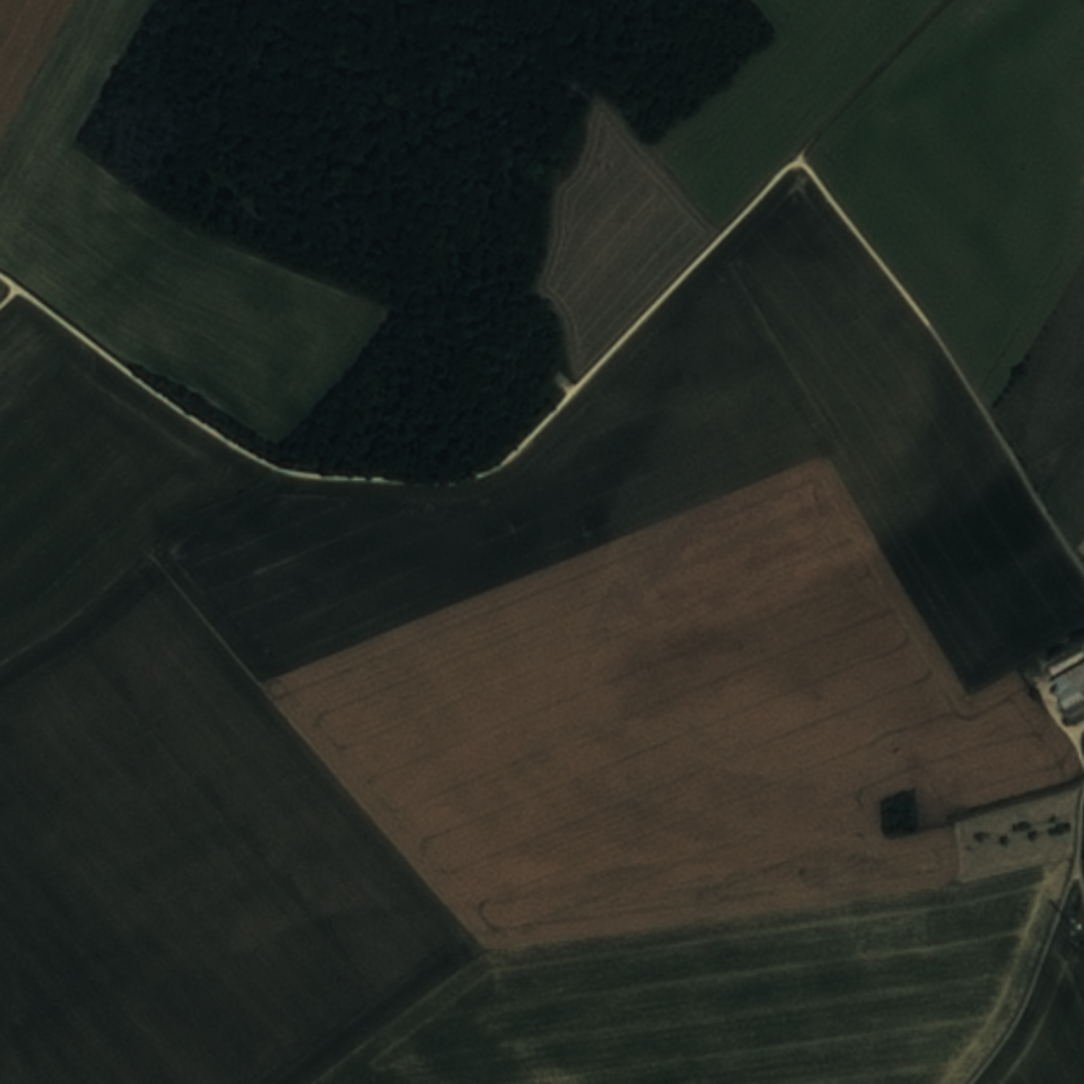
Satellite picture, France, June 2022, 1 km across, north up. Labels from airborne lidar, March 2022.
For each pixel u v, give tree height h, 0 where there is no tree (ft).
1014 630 0
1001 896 0
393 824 0
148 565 0
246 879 0
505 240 73
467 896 0
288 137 79
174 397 44
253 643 0
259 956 0
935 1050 0
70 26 0
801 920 0
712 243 0
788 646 0
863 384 0
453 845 0
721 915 0
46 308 0
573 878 0
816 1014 0
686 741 0
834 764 0
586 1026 0
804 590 0
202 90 76
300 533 0
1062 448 0
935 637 0
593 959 0
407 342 74
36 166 0
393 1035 0
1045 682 0
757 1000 0
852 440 0
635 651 0
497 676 0
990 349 0
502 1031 0
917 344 0
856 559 0
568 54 62
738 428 0
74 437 0
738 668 0
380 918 0
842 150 0
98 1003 0
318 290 0
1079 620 0
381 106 78
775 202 0
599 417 0
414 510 0
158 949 0
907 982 0
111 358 0
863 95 0
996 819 0
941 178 0
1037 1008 0
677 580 0
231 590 0
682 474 0
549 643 0
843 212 0
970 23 0
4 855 0
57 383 0
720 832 0
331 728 0
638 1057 0
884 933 0
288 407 0
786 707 0
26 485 0
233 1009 0
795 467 0
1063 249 0
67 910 0
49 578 0
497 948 0
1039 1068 0
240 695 0
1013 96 0
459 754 0
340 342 0
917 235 0
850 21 0
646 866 0
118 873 0
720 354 0
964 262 0
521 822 0
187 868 0
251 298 0
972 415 0
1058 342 0
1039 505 0
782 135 0
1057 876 0
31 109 0
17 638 0
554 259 0
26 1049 0
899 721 0
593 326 0
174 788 0
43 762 0
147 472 0
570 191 0
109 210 0
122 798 0
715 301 0
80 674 0
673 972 0
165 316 0
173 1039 0
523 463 0
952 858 0
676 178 0
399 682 0
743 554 0
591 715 0
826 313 0
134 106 67
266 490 0
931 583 0
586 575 0
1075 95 0
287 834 0
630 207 0
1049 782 0
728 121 0
